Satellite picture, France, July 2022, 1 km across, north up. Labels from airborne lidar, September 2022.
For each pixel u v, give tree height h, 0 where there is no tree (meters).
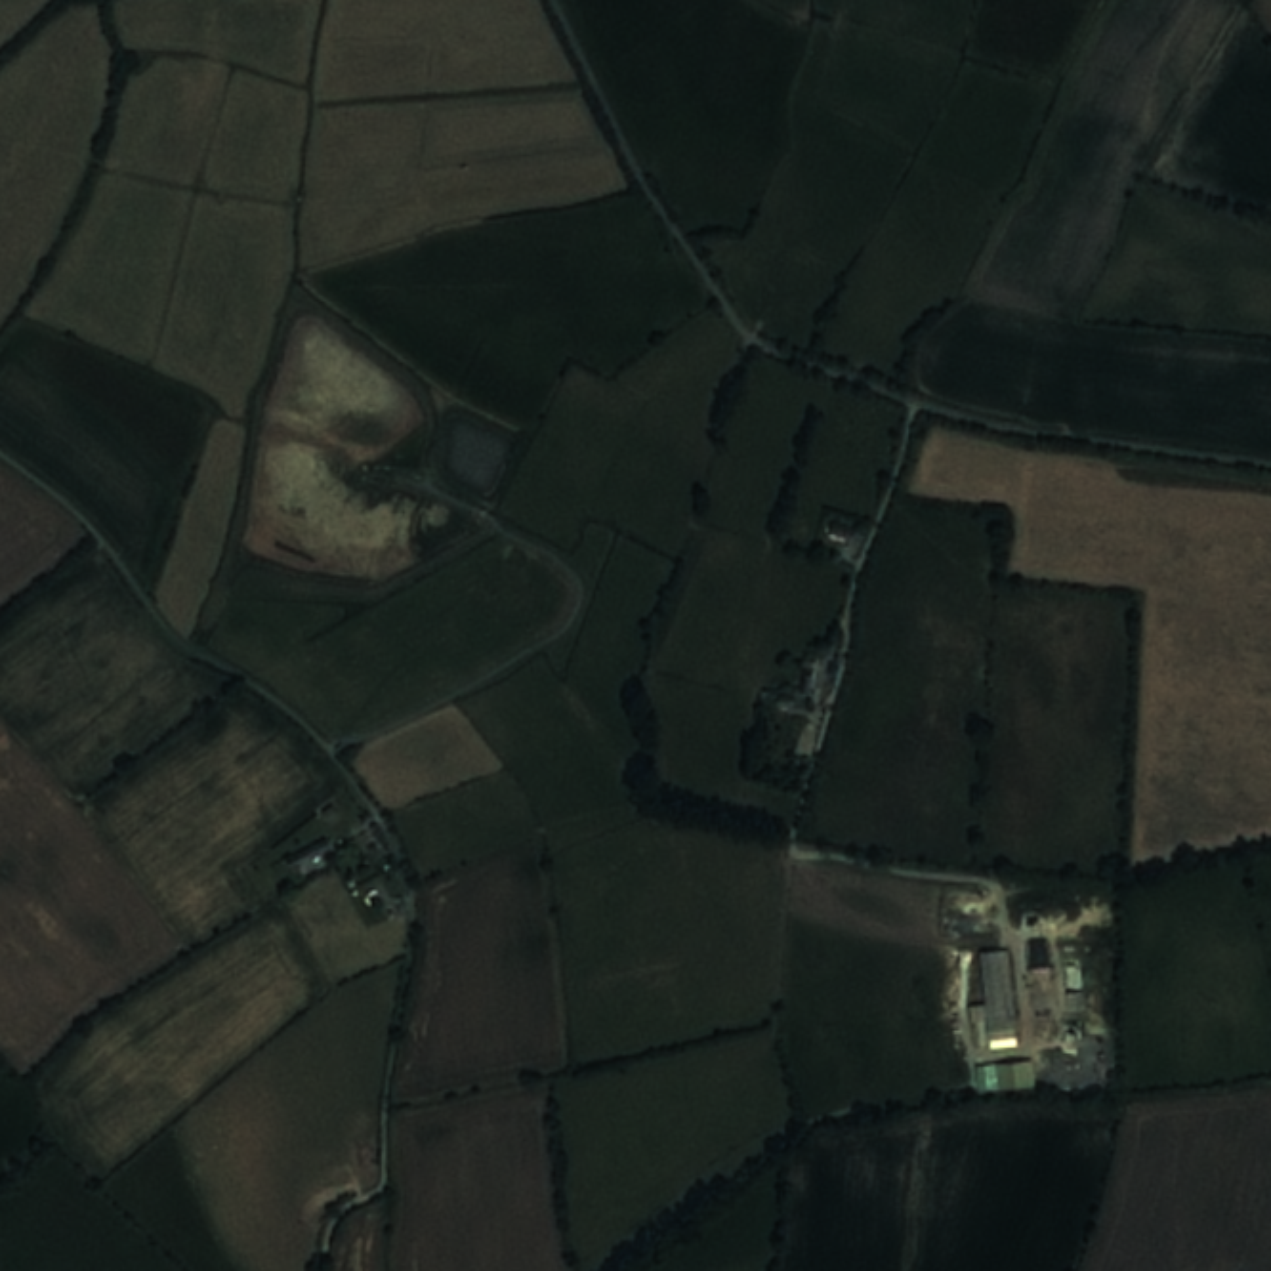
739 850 0
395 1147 0
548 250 0
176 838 0
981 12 0
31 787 0
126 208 0
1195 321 0
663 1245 18
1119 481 0
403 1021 6
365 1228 0
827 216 0
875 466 0
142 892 0
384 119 0
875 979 0
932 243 0
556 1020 0
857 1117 17
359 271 0
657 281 0
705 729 0
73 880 0
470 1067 0
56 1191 0
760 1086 0
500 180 0
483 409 0
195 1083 0
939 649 0
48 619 0
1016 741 0
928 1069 0
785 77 0
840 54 0
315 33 0
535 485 0
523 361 0
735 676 0
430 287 0
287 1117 0
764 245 0
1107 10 0
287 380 0
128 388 0
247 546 0
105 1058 0
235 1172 0
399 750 0
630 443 0
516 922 0
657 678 0
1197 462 6
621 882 0
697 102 0
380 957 0
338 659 0
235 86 0
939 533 0
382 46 0
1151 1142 0
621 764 0
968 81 0
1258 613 0
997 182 0
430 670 0
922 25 0
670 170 0
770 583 0
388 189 0
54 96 0
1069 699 0
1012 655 0
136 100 0
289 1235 0
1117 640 0
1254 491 0
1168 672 0
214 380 0
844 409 0
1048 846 0
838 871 0
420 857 0
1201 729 0
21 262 0
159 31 0
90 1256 0
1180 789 0
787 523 19
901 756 0
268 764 0
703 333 0
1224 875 0
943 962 0
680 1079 0
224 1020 0
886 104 0
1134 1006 0
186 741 0
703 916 0
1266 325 0
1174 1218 0
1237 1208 0
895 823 0
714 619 0
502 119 0
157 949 0
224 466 0
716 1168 0
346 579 0
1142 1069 0
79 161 0
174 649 0
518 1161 0
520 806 0
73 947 0
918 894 0
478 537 0
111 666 0
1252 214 13
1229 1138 0
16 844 0
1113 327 7
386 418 0
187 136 0
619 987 0
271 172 0
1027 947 0
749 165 0
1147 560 0
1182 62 0
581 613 0
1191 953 0
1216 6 0
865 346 0
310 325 0
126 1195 0
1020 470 0
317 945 0
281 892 12
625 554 0
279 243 0
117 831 0
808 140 0
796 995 0
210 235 0
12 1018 0
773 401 0
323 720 0
